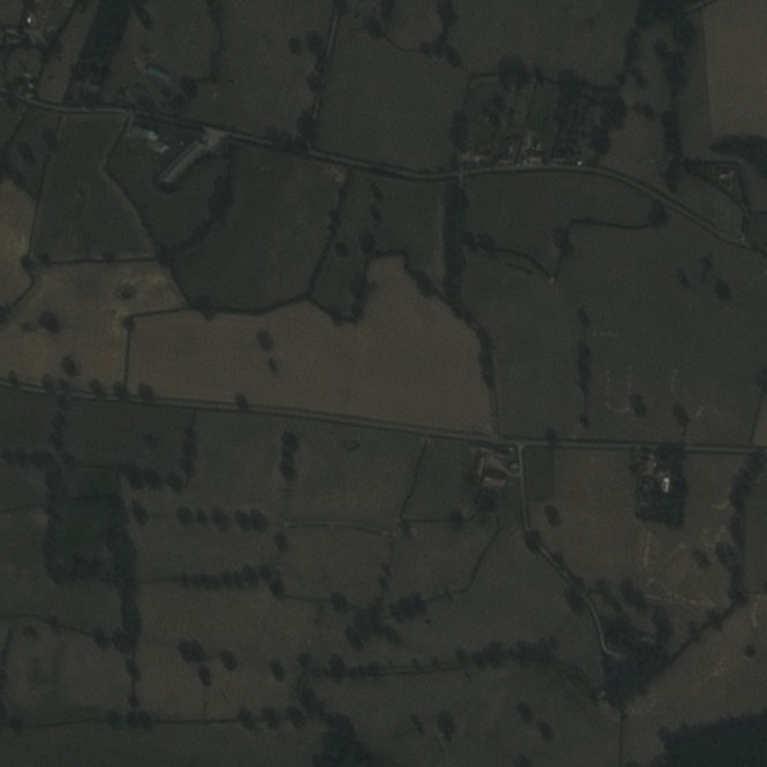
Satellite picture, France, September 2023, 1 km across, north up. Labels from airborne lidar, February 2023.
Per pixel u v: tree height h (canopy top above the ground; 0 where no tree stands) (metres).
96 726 0
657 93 0
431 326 0
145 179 0
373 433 0
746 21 0
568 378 0
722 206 0
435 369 0
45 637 0
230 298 0
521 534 0
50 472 16
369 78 0
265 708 0
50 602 0
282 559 0
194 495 0
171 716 0
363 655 0
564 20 0
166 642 0
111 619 0
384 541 0
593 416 0
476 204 0
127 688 0
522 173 0
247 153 0
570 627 0
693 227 0
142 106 10
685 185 0
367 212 0
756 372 0
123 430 0
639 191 0
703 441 0
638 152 0
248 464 0
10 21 0
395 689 0
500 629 0
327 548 0
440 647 0
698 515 0
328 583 0
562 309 0
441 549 0
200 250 0
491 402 0
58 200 0
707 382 0
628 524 0
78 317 0
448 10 19
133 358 0
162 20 0
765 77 0
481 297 0
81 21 0
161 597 0
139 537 0
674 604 0
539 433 0
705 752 18
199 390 0
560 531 0
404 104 0
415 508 0
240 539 0
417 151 0
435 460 0
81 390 0
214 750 0
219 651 0
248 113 0
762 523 0
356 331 0
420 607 18
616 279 0
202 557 0
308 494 0
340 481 0
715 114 0
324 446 0
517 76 21
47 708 0
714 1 0
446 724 19
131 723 14
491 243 16
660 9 22
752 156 15
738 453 0
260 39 0
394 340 0
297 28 0
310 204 0
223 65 0
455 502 0
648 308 0
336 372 0
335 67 0
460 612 0
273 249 0
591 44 0
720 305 0
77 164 0
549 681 0
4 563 0
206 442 0
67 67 0
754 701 0
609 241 0
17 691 0
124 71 0
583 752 0
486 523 0
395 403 0
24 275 0
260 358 0
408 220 0
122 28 9
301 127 13
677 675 0
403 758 0
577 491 0
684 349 0
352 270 0
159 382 0
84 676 0
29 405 0
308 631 0
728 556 19
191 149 0
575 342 0
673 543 0
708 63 0
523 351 0
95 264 0
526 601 0
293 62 0
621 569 0
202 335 0
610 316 0
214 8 17
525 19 0
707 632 0
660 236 0
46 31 0
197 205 0
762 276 0
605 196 0
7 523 0
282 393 0
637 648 16
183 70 0
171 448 0
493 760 0
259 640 0
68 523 0
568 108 17
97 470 0
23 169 0
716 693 0
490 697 0
